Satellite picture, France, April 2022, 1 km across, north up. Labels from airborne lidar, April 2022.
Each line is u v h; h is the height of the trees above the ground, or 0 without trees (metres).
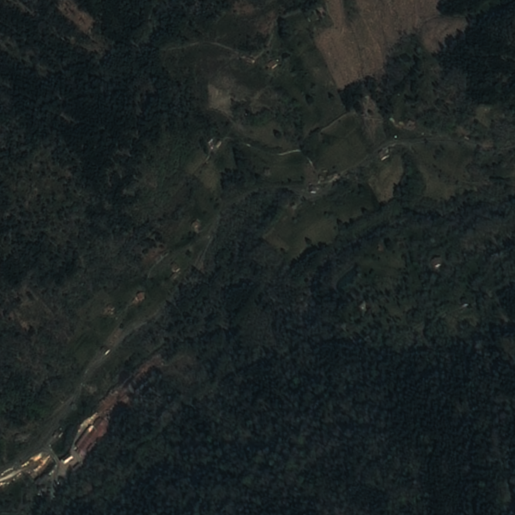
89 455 8
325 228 0
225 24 0
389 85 30
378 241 29
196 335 22
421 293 8
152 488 23
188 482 30
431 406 25
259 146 7
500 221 20
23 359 11
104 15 10
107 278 18
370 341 23
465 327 14
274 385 28
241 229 18
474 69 16
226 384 13
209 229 0
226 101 0
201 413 24
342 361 28
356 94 13
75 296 15
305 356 21
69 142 19
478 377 26
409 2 0
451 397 32
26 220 32
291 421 25
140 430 13
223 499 28
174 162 7
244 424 10
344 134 0
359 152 0
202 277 26
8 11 23
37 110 23
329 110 0
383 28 0
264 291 9
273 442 9
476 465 30
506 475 20
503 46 11
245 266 23
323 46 0
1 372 20
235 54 0
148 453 12
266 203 18
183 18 26
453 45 25
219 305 20
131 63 33
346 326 20
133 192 22
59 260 25
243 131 0
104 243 18
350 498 15
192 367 8
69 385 14
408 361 18
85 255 16
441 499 15
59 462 0
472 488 33
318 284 31
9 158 23
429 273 8
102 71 27
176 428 15
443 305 14
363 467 17
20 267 18
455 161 0
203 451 31
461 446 15
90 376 0
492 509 26
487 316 9
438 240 7
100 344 0
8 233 17
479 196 19
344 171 0
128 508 9
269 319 10
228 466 33
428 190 0
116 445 13
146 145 7
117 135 16
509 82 10
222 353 10
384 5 0
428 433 25
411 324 10
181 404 10
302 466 28
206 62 0
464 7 18
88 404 8
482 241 6
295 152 0
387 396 30
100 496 14
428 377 17
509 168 6
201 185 14
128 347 8
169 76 20
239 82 0
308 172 0
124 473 7
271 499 15
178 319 29
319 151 0
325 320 28
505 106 27
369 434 19
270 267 19
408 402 27
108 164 15
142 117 15
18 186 12
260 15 0
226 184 22
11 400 14
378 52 0
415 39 19
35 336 14
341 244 19
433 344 18
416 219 21
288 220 0
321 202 0
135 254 24
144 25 22
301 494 16
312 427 17
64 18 12
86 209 27
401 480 21
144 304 0
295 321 38
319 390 24
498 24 18
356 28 0
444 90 19
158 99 22
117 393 0
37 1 25
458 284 15
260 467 27
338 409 19
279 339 22
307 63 0
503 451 16
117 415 20
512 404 7
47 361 13
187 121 24
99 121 18
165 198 10
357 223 21
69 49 19
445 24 0
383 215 23
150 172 8
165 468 7
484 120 0
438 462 21
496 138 21
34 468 0
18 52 6
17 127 16
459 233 12
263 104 0
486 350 21
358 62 0
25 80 16
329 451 28
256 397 13
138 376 0
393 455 24
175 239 0
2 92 18
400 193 14
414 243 16
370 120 0
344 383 27
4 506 15
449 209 29
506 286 15
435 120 18
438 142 0
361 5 0
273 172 0
